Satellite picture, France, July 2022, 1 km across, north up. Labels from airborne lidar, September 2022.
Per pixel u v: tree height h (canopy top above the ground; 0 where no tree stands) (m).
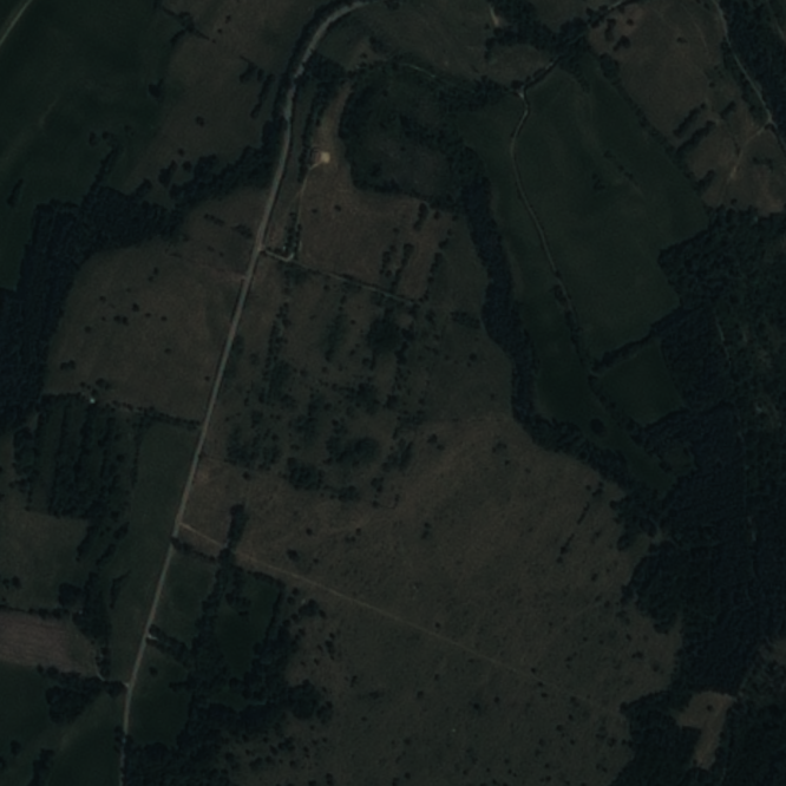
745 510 14
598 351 0
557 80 0
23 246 0
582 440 10
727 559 16
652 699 12
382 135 0
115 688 13
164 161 0
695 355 12
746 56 12
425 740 0
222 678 18
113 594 7
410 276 0
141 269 0
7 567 0
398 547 0
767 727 21
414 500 0
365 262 0
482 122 0
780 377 10
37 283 18
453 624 0
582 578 0
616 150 0
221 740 13
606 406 8
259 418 7
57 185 0
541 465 0
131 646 0
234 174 9
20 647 0
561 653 0
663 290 0
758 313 11
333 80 15
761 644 7
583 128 0
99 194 15
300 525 0
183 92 0
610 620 0
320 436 0
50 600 0
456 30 0
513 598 0
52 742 0
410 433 0
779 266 6
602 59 7
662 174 0
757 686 18
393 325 7
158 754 21
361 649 0
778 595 23
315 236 0
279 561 0
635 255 0
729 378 10
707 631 11
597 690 0
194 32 6
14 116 0
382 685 0
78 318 0
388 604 0
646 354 0
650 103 0
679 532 17
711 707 7
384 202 0
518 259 0
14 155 0
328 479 0
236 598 11
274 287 0
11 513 0
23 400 21
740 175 0
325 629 0
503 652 0
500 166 0
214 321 0
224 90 0
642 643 0
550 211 0
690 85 0
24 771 0
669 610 14
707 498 16
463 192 9
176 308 0
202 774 11
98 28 0
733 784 6
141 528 0
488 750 0
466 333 0
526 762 0
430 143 10
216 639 10
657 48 0
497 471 0
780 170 0
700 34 0
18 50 0
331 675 0
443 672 0
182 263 0
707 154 0
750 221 6
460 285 0
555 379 0
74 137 0
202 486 0
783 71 11
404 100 0
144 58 0
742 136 0
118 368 0
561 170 0
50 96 0
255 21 0
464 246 0
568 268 0
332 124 0
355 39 0
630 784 11
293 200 0
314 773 0
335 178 0
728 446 21
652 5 0
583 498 0
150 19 0
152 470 0
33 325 17
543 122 0
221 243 0
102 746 0
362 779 0
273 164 7
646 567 8
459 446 0
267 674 17
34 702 0
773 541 19
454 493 0
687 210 0
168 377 0
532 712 0
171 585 0
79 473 14
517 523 0
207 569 0
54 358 0
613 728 0
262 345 0
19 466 7
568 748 0
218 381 0
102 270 0
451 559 0
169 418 6
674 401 0
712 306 13
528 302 0
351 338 0
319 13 9
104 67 0
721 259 8
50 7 0
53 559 0
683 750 11
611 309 0
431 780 0
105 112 0
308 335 0
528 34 14
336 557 0
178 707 0
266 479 0
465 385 0
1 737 0
